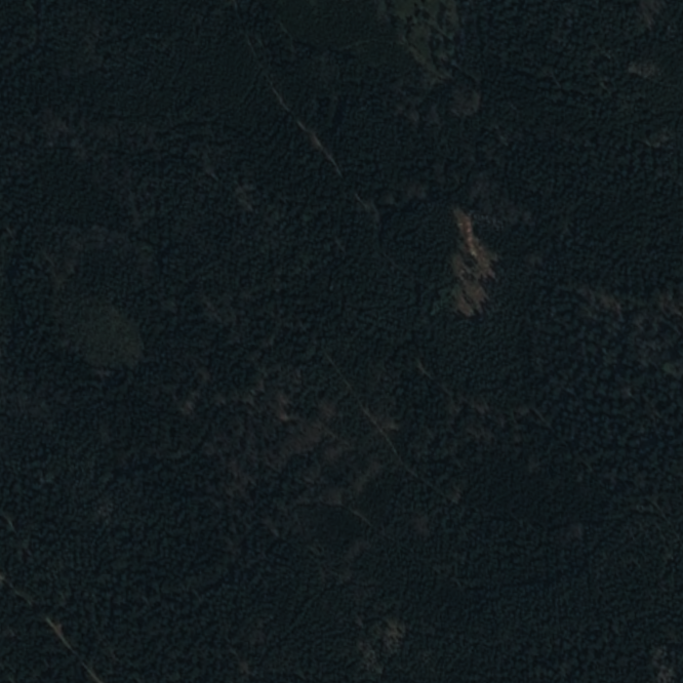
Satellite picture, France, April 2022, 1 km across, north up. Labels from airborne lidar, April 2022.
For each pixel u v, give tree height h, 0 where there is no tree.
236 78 18
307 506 9
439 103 13
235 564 9
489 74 28
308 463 8
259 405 13
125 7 21
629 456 28
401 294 27
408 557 18
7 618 24
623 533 14
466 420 14
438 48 12
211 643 14
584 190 24
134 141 23
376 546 14
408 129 22
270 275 25
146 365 8
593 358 22
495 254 29
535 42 21
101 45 20
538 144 18
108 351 13
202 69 17
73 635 21
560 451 17
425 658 17
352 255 28
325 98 16
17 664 21
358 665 13
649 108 20
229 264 21
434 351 19
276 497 9
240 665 20
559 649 18
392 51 7
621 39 19
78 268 21
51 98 20
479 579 19
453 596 13
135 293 28
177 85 17
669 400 22
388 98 17
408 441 9
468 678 15
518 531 25
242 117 15
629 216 31
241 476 10
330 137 28
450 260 31
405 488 13
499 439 22
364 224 25
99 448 27
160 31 15
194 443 11
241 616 24
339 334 25
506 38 25
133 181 17
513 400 29
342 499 11
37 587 24
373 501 13
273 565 16
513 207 17
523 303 26
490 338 24
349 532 12
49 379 21
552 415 25
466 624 16
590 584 14
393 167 27
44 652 24
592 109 23
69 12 23
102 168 22
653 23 15
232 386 21
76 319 9
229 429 16
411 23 12
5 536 25
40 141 25
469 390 22
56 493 36
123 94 14
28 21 22
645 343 26
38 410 29
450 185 14
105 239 27
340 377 17
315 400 14
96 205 19
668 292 28
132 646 26
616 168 15
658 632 19
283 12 8
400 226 26
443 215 29
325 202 22
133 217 21
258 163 23
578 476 10
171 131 19
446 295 30
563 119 25
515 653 18
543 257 27
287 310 18
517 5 14
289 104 18
